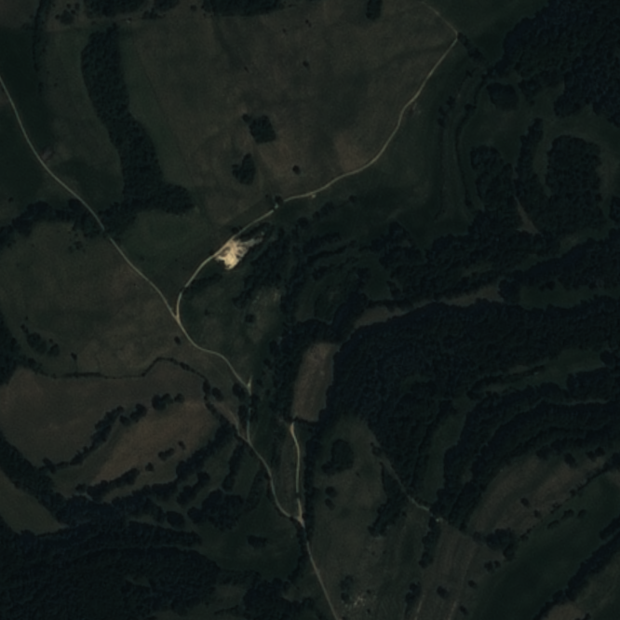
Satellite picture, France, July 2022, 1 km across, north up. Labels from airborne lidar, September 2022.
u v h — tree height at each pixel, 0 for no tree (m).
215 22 0
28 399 0
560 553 0
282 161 0
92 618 11
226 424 18
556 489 0
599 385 26
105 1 7
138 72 0
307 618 0
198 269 0
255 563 0
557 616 0
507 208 9
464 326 18
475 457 15
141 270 0
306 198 0
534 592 0
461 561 0
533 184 15
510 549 15
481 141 0
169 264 0
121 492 0
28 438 0
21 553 23
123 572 14
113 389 0
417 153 0
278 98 0
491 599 0
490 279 17
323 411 0
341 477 0
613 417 29
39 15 8
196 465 21
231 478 9
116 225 7
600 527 0
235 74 0
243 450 16
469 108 14
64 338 0
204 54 0
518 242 19
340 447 9
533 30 30
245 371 0
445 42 0
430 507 6
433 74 0
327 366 0
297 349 18
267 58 0
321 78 0
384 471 7
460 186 0
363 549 0
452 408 23
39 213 13
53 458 0
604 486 0
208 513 12
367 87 0
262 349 0
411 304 22
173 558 22
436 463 0
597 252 14
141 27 0
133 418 7
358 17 0
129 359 0
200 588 23
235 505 19
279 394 9
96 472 0
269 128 9
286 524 0
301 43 0
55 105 0
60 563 21
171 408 0
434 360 16
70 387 0
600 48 23
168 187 6
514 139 0
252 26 0
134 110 0
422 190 0
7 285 0
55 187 0
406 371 24
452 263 21
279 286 7
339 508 0
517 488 0
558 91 0
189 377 0
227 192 0
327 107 0
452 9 0
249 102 0
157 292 0
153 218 0
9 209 0
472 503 17
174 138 0
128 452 0
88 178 0
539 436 22
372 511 0
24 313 0
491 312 27
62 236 0
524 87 17
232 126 0
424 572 0
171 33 0
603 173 0
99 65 6
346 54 0
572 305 0
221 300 0
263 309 0
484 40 0
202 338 0
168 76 0
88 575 13
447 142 0
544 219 15
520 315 22
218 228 0
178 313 0
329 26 0
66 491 0
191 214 0
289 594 0
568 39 13
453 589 0
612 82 10
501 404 18
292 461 0
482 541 18
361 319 0
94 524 21
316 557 0
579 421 25
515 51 23
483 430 23
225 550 0
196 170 0
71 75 0
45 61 0
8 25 0
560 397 22
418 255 24
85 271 0
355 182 0
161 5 9
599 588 0
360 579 0
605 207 0
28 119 0
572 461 23
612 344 23
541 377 0
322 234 0
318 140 0
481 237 16
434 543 7
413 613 0
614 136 0
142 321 0
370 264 0
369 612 7
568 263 28
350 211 0
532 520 0
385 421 18
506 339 22
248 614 7
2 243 11
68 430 0
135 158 12
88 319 0
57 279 0
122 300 0
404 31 0
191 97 0
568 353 0
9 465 30
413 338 19
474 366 21
